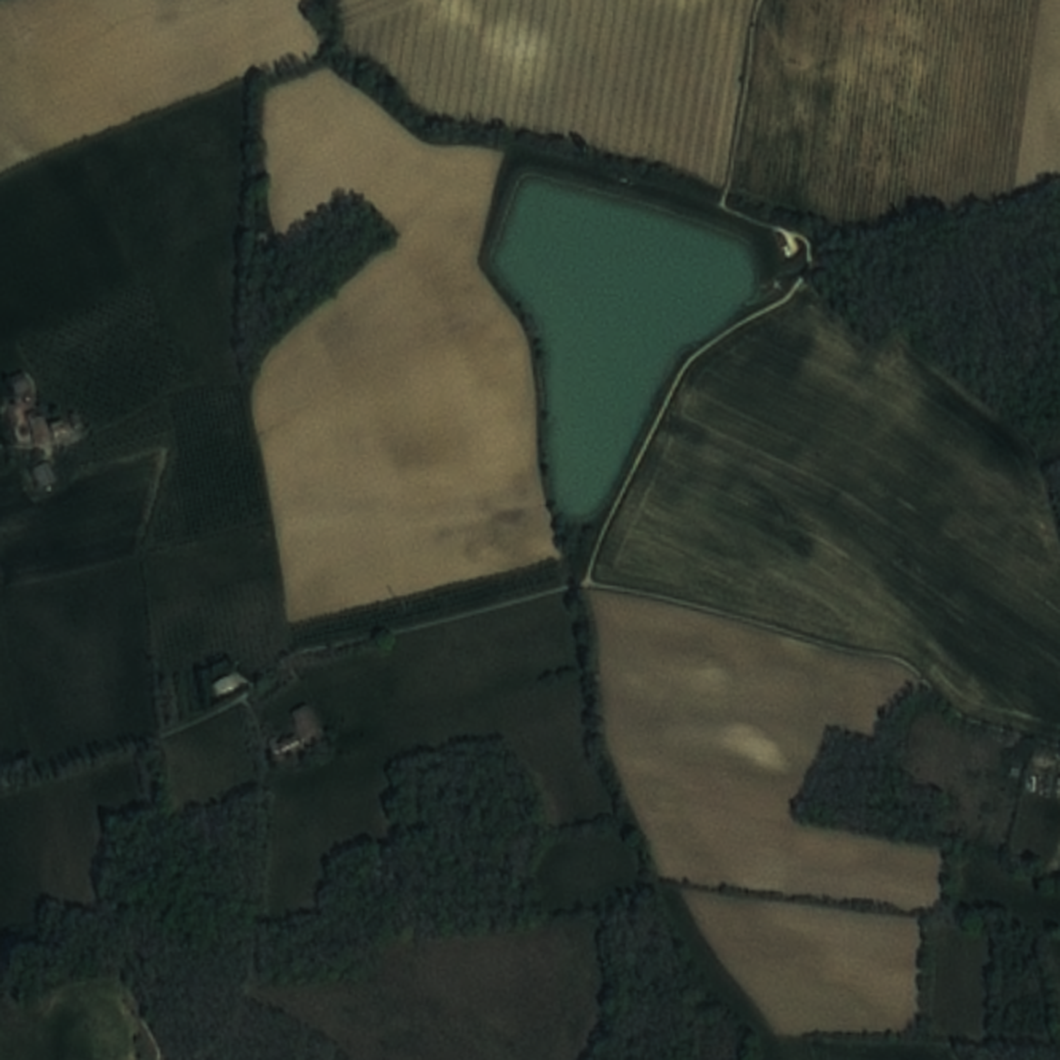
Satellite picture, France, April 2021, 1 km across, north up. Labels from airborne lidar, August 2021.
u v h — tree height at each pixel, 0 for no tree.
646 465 0
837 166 0
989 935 13
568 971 0
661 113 0
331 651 9
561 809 0
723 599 0
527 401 0
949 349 18
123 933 22
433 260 0
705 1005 9
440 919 23
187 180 0
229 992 18
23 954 29
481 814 18
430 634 0
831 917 0
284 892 0
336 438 0
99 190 0
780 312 0
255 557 0
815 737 0
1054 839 0
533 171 0
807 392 0
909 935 0
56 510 0
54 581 0
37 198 0
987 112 0
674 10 0
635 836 21
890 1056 0
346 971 16
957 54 0
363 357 0
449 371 0
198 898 18
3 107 0
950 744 0
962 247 23
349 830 0
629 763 0
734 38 0
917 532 0
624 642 0
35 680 0
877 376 0
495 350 0
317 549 0
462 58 0
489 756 14
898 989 0
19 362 0
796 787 0
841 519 0
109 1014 0
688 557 0
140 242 0
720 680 0
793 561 0
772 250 0
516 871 23
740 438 0
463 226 0
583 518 0
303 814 0
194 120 0
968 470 0
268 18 0
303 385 0
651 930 8
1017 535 0
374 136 0
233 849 21
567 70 0
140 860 22
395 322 0
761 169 0
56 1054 0
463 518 0
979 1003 0
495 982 0
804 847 0
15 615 0
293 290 23
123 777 0
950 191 0
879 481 0
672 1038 21
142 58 0
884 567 0
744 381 0
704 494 0
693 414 0
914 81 0
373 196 0
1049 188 21
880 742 14
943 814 19
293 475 0
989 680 0
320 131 0
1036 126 0
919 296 19
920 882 0
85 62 0
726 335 0
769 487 0
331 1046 16
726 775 0
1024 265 23
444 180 0
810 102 0
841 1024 0
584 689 7
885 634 0
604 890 0
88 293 0
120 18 0
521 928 16
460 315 0
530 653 0
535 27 0
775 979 0
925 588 0
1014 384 20
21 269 0
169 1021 17
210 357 0
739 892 7
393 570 0
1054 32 0
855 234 21
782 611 0
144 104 0
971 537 0
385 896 21
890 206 0
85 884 0
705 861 0
